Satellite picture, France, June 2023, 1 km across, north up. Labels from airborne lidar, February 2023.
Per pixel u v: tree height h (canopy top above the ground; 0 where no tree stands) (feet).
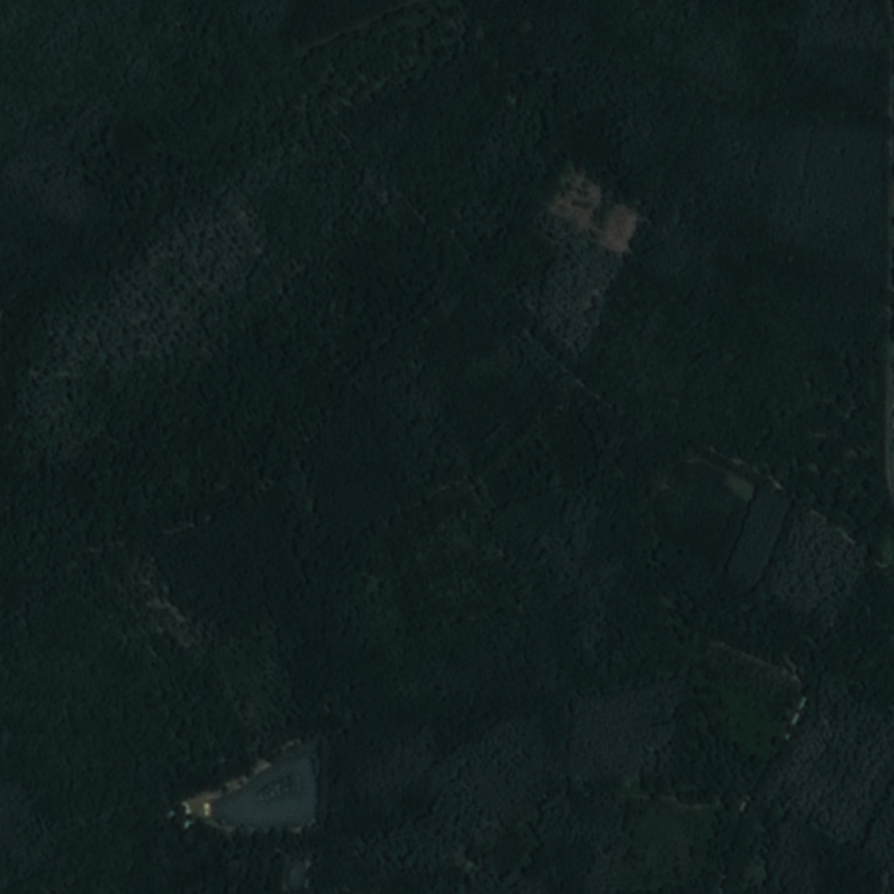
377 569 74
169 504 25
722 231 65
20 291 79
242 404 65
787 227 41
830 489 79
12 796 83
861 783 66
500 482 21
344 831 49
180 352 58
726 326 66
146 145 20
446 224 67
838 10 92
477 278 77
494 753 62
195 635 36
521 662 82
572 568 83
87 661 56
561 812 65
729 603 72
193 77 68
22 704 44
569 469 23
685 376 62
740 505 25
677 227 59
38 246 52
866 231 54
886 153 42
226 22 72
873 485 82
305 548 83
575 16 66
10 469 20
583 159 37
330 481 60
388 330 66
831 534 86
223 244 76
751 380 53
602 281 94
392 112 47
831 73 50
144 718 55
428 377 55
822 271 56
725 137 50
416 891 65
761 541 52
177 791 58
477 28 65
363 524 60
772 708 22
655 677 63
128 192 19
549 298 87
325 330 68
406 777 77
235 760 75
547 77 71
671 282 54
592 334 81
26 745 47
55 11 54
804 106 42
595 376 59
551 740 60
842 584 73
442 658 56
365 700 76
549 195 73
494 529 70
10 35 41
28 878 64
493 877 94
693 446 61
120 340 73
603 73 70
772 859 54
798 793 57
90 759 57
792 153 54
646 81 71
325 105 53
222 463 24
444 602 27
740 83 65
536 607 72
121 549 44
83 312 86
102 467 58
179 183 22
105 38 64
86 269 64
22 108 68
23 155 70
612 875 69
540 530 70
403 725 60
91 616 52
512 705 65
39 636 65
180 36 33
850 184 52
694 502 20
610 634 68
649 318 64
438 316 68
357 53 43
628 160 84
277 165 77
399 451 73
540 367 83
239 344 62
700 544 30
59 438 48
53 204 82
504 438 74
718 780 62
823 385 70
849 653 56
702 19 64
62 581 55
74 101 46
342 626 80
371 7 42
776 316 52
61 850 63
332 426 52
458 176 61
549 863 67
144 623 45
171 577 67
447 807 79
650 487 43
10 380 21
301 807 0
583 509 89
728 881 30
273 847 58
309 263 54
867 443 81
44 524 40
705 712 52
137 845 66
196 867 73
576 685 67
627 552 66
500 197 64
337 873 58
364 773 67
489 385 59
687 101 72
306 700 64
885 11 81
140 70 66
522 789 60
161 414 56
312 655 82
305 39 41
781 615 69
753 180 59
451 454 69
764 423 63
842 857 61
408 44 30
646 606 70
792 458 72
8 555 48
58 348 68
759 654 66
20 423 27
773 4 68
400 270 20
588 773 72
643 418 54
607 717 71
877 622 61
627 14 67
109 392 47
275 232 50
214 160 53
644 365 50
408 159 48
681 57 73
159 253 53
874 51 77
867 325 58
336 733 64
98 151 76
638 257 35
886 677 73
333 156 43
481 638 59
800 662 65
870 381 74
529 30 79
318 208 50
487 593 21
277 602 63
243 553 64
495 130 57
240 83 60
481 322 52
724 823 58
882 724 68
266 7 84
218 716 75
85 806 48
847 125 47
